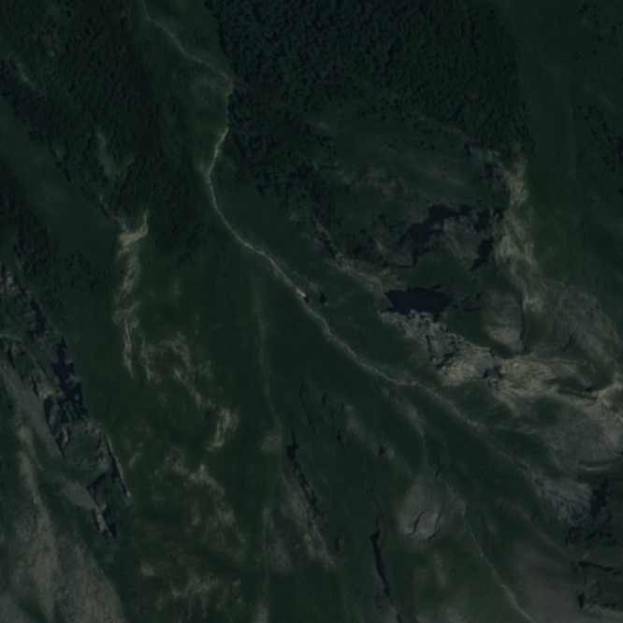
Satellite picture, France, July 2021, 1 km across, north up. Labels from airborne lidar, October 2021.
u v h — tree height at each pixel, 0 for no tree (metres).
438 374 0
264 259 0
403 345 0
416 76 15
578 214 0
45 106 17
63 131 15
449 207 0
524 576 0
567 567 0
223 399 0
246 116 6
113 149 14
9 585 0
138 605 0
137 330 0
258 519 0
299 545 0
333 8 25
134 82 20
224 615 0
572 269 0
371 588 0
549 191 0
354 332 0
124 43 13
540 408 0
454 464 0
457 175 0
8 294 0
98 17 14
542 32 0
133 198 16
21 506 0
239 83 0
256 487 0
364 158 0
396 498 0
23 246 12
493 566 0
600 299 0
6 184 12
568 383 0
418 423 0
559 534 0
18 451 0
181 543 0
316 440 0
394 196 0
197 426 0
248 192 0
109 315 0
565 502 0
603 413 0
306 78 9
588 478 0
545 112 0
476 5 22
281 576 0
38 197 0
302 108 10
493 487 0
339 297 0
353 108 0
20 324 0
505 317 0
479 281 0
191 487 0
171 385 0
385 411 0
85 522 0
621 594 0
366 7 22
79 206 0
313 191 9
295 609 0
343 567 0
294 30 10
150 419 0
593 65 0
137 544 0
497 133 12
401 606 0
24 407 0
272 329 0
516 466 0
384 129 0
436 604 0
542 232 0
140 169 16
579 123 0
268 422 0
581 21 0
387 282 0
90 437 0
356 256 11
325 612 0
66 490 0
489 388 0
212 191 0
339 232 0
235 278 0
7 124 0
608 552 0
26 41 22
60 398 0
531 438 0
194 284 0
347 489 0
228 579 0
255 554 0
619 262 0
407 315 0
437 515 0
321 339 0
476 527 0
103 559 0
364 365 0
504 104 15
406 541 0
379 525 0
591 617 0
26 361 0
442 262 0
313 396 0
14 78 13
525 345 0
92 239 0
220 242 0
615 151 7
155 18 0
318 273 0
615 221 0
